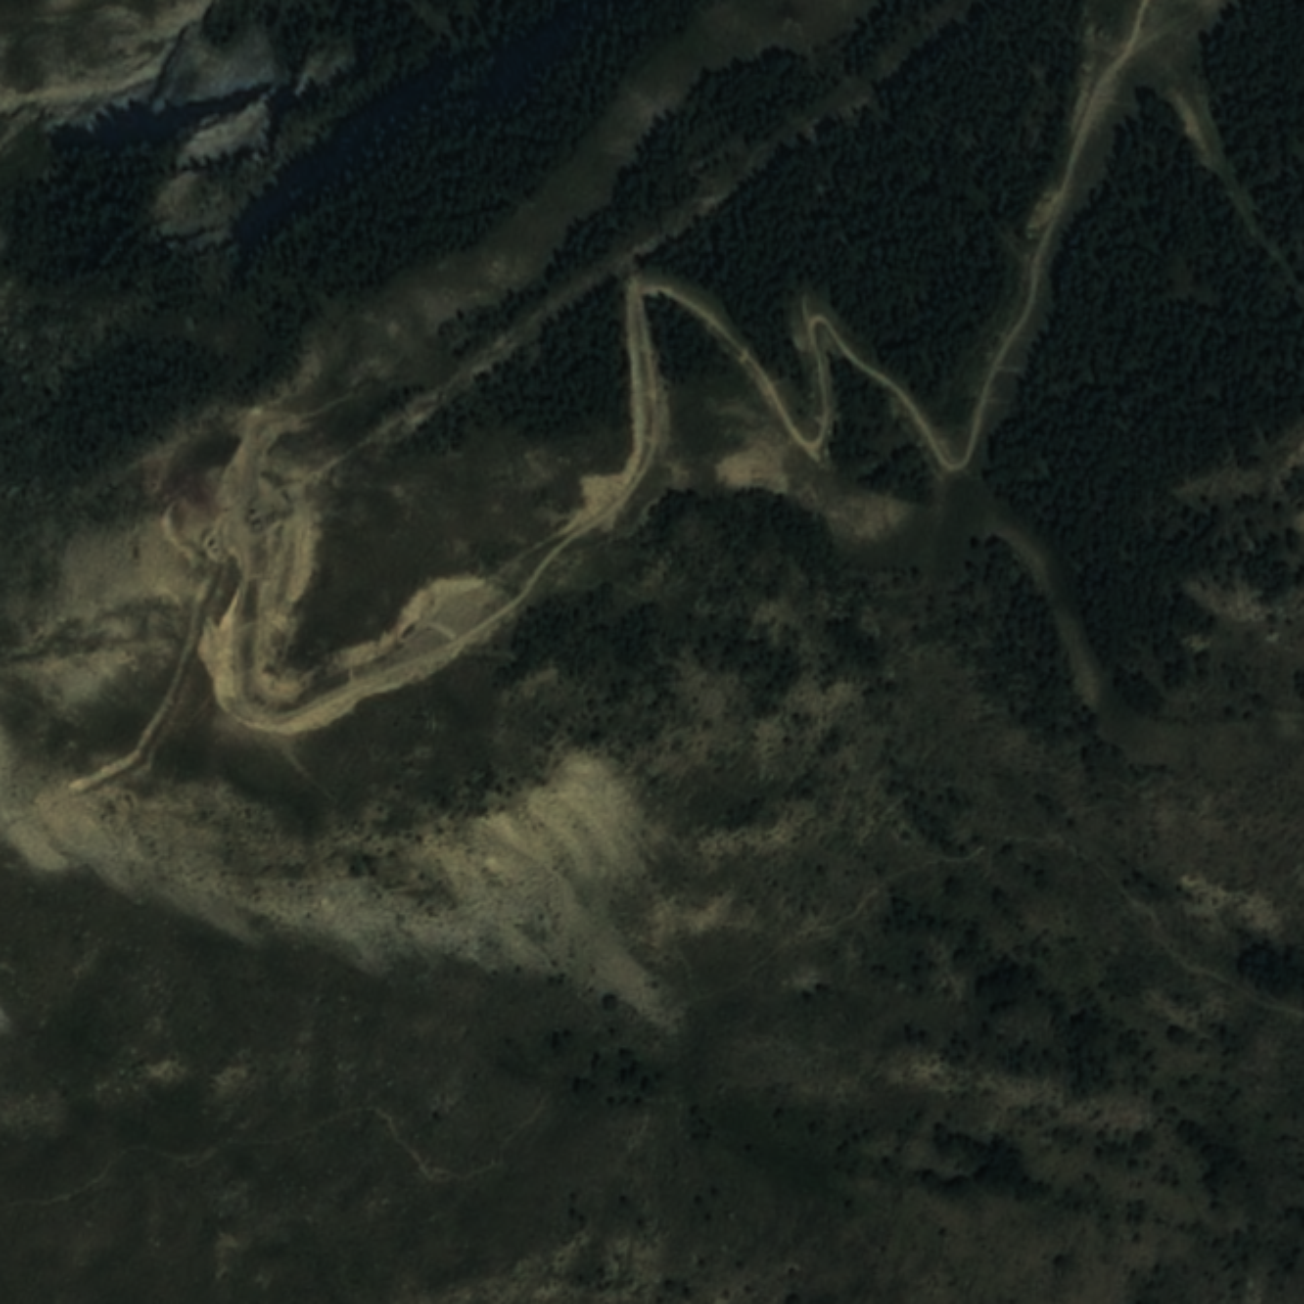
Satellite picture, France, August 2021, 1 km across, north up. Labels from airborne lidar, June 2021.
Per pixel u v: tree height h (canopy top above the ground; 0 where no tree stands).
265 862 0
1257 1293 0
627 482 0
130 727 0
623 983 0
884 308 17
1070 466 22
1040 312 0
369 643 0
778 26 0
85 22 0
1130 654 12
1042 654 8
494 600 0
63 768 0
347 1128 0
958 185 18
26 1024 0
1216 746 0
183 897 0
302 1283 0
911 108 13
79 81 0
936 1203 0
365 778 0
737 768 0
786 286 17
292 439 0
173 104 0
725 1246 0
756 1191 0
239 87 0
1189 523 13
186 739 0
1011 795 0
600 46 12
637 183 17
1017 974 18
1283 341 17
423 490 0
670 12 23
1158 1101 9
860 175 20
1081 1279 0
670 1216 0
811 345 0
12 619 0
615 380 14
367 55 11
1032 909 0
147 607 0
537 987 0
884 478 15
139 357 9
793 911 0
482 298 0
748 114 21
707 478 0
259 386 7
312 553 0
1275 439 17
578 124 20
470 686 0
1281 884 0
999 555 12
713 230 7
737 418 0
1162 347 16
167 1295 0
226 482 0
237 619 0
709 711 0
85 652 0
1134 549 17
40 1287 0
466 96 6
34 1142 0
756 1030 0
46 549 0
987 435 0
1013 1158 16
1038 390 16
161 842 0
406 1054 0
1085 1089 7
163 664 0
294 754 0
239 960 0
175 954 0
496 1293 0
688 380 9
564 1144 0
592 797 0
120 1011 0
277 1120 0
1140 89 0
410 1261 0
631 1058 13
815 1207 0
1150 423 23
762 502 7
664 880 0
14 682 0
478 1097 0
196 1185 0
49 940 0
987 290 19
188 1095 0
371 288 7
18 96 0
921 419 0
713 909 0
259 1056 0
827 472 0
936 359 19
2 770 0
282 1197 0
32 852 0
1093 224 21
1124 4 0
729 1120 0
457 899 0
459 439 6
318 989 0
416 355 0
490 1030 0
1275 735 0
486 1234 0
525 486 0
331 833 0
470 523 0
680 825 0
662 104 0
